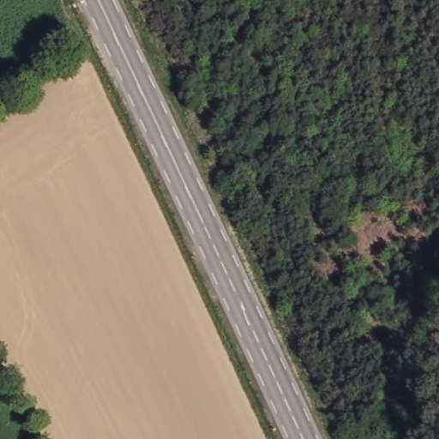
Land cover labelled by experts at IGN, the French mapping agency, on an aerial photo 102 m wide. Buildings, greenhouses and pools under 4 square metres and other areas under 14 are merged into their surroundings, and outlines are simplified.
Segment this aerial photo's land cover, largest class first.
<instances>
[{"label":"plowed land","instance_id":"1","mask_svg":"<svg viewBox=\"0 0 439 439\"><path fill-rule=\"evenodd\" d=\"M45 96L33 111L12 113L5 118V122L0 123V364L5 367L15 365L21 372V376L24 377V393L36 400L34 408H36L45 410L50 415V424L39 432L41 436L38 439H266L249 398L240 384L235 367L221 343L218 331L214 328L213 319L202 302L201 293L195 286L187 264L183 261L182 252L178 249L170 226L166 223L165 214L154 197L151 185L147 182L139 159L130 146L110 99L106 96L105 87L99 81L93 63L84 62L81 63L77 74L69 79L45 82Z\"/></svg>","mask_w":439,"mask_h":439},{"label":"coniferous trees","instance_id":"2","mask_svg":"<svg viewBox=\"0 0 439 439\"><path fill-rule=\"evenodd\" d=\"M192 53L183 48L170 50L168 53V65L189 63ZM348 79L346 72L336 77L334 91H324L321 87H316L310 94L295 91L293 105H285L278 99H273L266 101V105H261V111H271L273 117L286 113L295 118L292 132L283 135L285 142L276 147L273 153L262 154L261 158L257 159L252 153H242L228 144L214 149V158L218 154H223V163L235 166L232 175H225L219 171L218 183L211 187V190L221 197L218 207L219 213L226 216L228 223L237 232L238 240L242 237L247 238L264 280L273 285V290L266 297L271 310L283 302L292 304V312L285 317L290 333L285 340L288 352L292 353L293 362L298 367L300 381L305 382L314 412L321 417L322 424L326 425L328 436L340 427L343 415H353L355 420H360L362 408L372 405V394L382 391V417L386 418V422L393 430L391 439H439V280L432 281L422 288V293L429 297L425 300V309L429 310V317H420L418 321L417 317H412L406 312L405 319L394 329L379 326L377 319L370 317V328L364 334L353 331V317L357 316L360 305H376L384 300V295L370 297V290L376 286H388L389 259L393 257L398 268H405L406 261L401 254V247L405 245L406 238L389 235L388 238H384L386 247L379 254L372 256V262L369 264L367 273L372 281L362 286L355 297L345 295L343 283L333 285L328 280L329 274L319 273L310 266V262H329L334 254L353 249L357 245V235L350 228L357 221V214H388L398 232H405L415 226L420 230L427 228L430 232L439 228V147L427 144L424 151H418L413 156L408 171H401L394 159L388 161L382 156V149L391 146L388 129L376 130L374 137L357 134V137H352L343 134L341 125L348 117L340 111L334 117L316 122L319 111L326 110L333 105L334 99L345 94Z\"/></svg>","mask_w":439,"mask_h":439},{"label":"deciduous trees","instance_id":"3","mask_svg":"<svg viewBox=\"0 0 439 439\"><path fill-rule=\"evenodd\" d=\"M307 0H211L201 7V22L204 26H195L192 31H183L182 36L187 39L183 48L192 53L189 63L168 65L170 86L165 93V94L170 93L178 105L194 110L195 115L197 111L204 110L207 99L216 96L219 99V108L211 120V127L206 129L209 137L225 132L232 125L238 106H244L245 110L249 111V115L242 122V127L256 129L254 120L261 111V105H266V101L273 99H278L285 105H293L295 91L292 70L298 60V48L321 34L319 26H310L309 31L305 33L302 31V17L297 12ZM250 9H256L257 14L261 15L259 27L250 26L245 34L244 45L238 46L233 34L237 33L238 27L249 17ZM69 29L63 24L46 34L45 39H41V51L33 58L31 69L22 70L21 74L0 81V123L5 122V118L12 113L33 111L45 96V82L69 79L77 74L81 63L84 62L81 48L84 45H77L69 38H65ZM388 129L391 146L382 149V156L388 161L394 159L401 171H408L413 156L418 151H424L427 144V135L415 132L412 135V118H405V123H401L400 127ZM369 264L362 256L348 262L345 266L346 281L343 283L345 295L355 297L362 286L372 281L367 273ZM370 297L384 295V300L376 305H360L357 316L353 317V331L364 334L370 328V317L377 319L379 326L394 329L405 319L406 312V305L394 298L393 290L388 286H376L370 290ZM0 391L10 394L9 405L14 412L22 413L26 412L27 408H34L36 400L24 393V377L21 376V372L15 365L5 367L0 364ZM382 391L372 394V405L362 408L360 420H355L353 415H343L340 427L328 436L329 439H391L393 430L386 422V418L382 417ZM50 424V415L45 410L36 408L33 417L29 418V427L33 432H39Z\"/></svg>","mask_w":439,"mask_h":439},{"label":"brushwood","instance_id":"4","mask_svg":"<svg viewBox=\"0 0 439 439\"><path fill-rule=\"evenodd\" d=\"M211 0H144L141 3V10L142 14L146 15V26L151 33H156L163 39V45L168 53L170 50L183 48L187 39L182 36L183 31H192L195 26H204L201 22V7ZM302 17V31L305 33L309 31L310 26H319L321 34L298 48V60L292 70L295 91L310 94L316 87H321L324 91H334L336 77L346 72L348 79L345 94L334 99L333 105L326 110L319 111L316 122L334 117L340 111L348 117L341 125L343 134L352 137H357V134L374 137L376 130L388 129L400 127L401 123H405V118H412V135L415 132L427 135V144L439 147V0H307L297 12ZM256 129L242 127L238 129L237 137L228 144L242 153H252L266 135H283L292 132L295 118L286 113L273 117L271 111H261L254 120ZM292 312V304L283 302L271 310L274 328L280 331L285 340L290 333L285 317Z\"/></svg>","mask_w":439,"mask_h":439},{"label":"impervious surface","instance_id":"5","mask_svg":"<svg viewBox=\"0 0 439 439\"><path fill-rule=\"evenodd\" d=\"M122 0H74L75 9L81 10L89 22L87 33L93 39L94 48L98 50L103 65L113 79V84L122 94L123 103L129 108L130 117L149 147L154 165L161 173L166 189L177 206L182 223L187 228L185 238L189 242L195 261L201 264L204 273L211 280L209 293L214 302H221L228 322L237 334L238 345L256 376L262 398L269 406V422L273 424L274 432H281L283 439H329L328 436L326 425L322 424L321 417L314 412L305 382L300 381L298 367L293 362L292 353L288 352L285 340L280 331L274 328L271 310L266 297L257 285L254 271L250 268L238 240L237 232L228 223L226 216L219 213L218 207L214 206L209 187L195 165L187 142L183 141L177 122L166 103L165 94V93L154 79L153 70L149 67L141 43L135 36L134 29L130 27L129 19L120 3Z\"/></svg>","mask_w":439,"mask_h":439},{"label":"herbaceous vegetation","instance_id":"6","mask_svg":"<svg viewBox=\"0 0 439 439\"><path fill-rule=\"evenodd\" d=\"M65 19L63 24L69 29L65 38H69L77 45H84L81 48L84 62L93 63L99 81L105 87L106 96L110 99L130 146L139 159L147 182L151 185L154 197L165 214L166 223L170 226L178 249L182 252L183 261L187 264L195 286L201 293L202 302L213 319L214 328L218 331L221 343L235 367L240 384L249 398L266 439H283L281 432H274L273 424L269 422V406L262 398L256 376L238 345L237 334L228 322L221 302H214L209 293L211 280L204 273L201 264L195 261L189 242L185 238L187 228L182 223L177 206L166 189L161 173L154 165L149 147L130 117L129 108L123 103L122 94L113 84V79L103 65L98 50L94 48L93 39L87 33L89 22L81 10L75 9L74 0H58ZM144 0H122L120 3L129 19L130 27L134 29L135 36L141 43L149 67L153 70L154 79L165 93L170 86L168 65V53L163 45V39L156 33H151L146 26V15L142 14L141 10V3ZM261 15L257 14L256 9H250L249 17L238 27L237 33L233 34L238 46L244 45L245 34L250 26L259 27ZM166 103L177 122L183 141L187 142L195 165L209 187L214 206L218 207L221 197L211 190V187L218 183L219 171L225 175H232L235 166L223 163V154H218L214 158V149L228 144L237 137L238 129L242 127V122L249 115V111L245 110L244 106H238L232 125L225 132L209 137L206 129L211 127V120L219 108V99L216 96L207 99L204 110L197 111L195 115L194 110L178 105L170 93L165 94ZM285 142L283 135H266L252 153L257 159L261 158L262 154L273 153L276 147ZM357 235V245L353 249L334 254L329 262H310V266L319 273L329 274L328 280L333 285L343 283L346 281L345 266L348 262L362 256L369 264L372 262V256L379 254L386 247L384 238H388L389 235L406 238L405 245L401 247V254L406 261L405 268H398L393 257L389 259L388 286L393 290L394 298L406 305V312L412 317H417L418 321L420 317H429V310L425 309V300L429 297L422 293V288L432 281L439 280V228L430 232L427 228L420 230L415 226L405 232H398L388 214H357V221L350 228ZM250 268L254 271L257 285L266 297L273 290V285L264 280L247 238L242 237L238 240ZM10 394L0 391V439H38L41 436L39 432H33L29 427V418L33 417L36 408H27L26 412L22 413L14 412L9 405Z\"/></svg>","mask_w":439,"mask_h":439},{"label":"agricultural land","instance_id":"7","mask_svg":"<svg viewBox=\"0 0 439 439\"><path fill-rule=\"evenodd\" d=\"M65 19L58 0H0V81L21 74L22 70L31 69L33 58L41 51V39H45L46 34L63 24Z\"/></svg>","mask_w":439,"mask_h":439}]
</instances>
